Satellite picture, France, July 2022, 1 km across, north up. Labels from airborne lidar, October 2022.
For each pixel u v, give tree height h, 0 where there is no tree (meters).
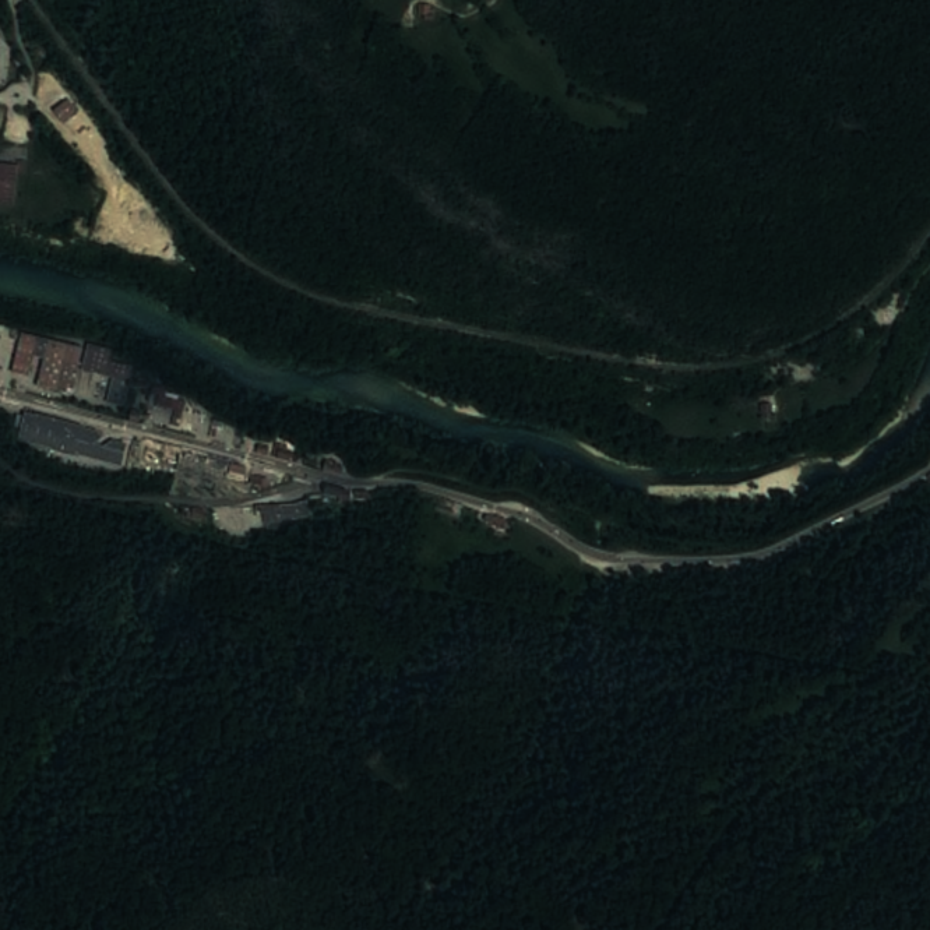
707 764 13
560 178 13
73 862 22
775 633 18
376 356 23
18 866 21
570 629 13
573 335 11
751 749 6
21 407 0
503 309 15
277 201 11
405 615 19
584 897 23
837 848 17
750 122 19
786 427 9
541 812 30
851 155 15
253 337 23
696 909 27
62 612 25
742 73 18
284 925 11
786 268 19
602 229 15
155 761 23
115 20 14
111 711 26
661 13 15
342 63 8
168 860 29
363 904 26
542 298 13
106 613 19
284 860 24
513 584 14
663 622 21
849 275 12
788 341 15
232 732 22
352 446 14
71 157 9
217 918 8
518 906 20
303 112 12
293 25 10
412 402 0
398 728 15
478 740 15
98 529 25
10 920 22
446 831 20
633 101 12
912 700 19
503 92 11
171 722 23
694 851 24
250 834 19
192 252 9
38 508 16
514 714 11
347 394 0
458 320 6
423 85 16
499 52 0
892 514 14
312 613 9
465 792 19
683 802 26
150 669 20
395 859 25
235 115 18
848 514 0
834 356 5
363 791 31
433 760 23
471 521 6
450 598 11
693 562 0
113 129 8
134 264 20
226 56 9
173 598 7
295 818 31
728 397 15
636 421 12
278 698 17
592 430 14
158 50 10
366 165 14
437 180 8
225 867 28
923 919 30
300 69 8
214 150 9
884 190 12
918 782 26
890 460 14
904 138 16
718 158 20
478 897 22
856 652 33
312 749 22
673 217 20
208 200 17
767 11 12
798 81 21
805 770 10
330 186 9
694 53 19
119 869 28
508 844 29
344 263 11
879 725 21
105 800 25
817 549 18
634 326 8
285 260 17
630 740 12
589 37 12
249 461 0
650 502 23
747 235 18
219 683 17
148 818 21
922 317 15
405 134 10
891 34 15
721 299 10
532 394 20
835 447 11
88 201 0
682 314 11
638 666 10
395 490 10
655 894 17
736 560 0
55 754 8
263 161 8
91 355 0
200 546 25
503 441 0
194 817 17
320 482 0
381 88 11
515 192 14
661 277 9
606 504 9
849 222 14
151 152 18
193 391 17
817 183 13
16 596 13
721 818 23
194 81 16
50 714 18
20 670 18
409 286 17
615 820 21
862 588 9
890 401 23
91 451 0
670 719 26
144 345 14
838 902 17
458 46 0
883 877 19
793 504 22
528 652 25
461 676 15
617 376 8
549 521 0
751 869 21
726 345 12
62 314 12
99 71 12
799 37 16
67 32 8
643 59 16
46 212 0
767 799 26
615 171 13
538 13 17
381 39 16
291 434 19
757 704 21
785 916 23
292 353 19
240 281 16
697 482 0
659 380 11
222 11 9
